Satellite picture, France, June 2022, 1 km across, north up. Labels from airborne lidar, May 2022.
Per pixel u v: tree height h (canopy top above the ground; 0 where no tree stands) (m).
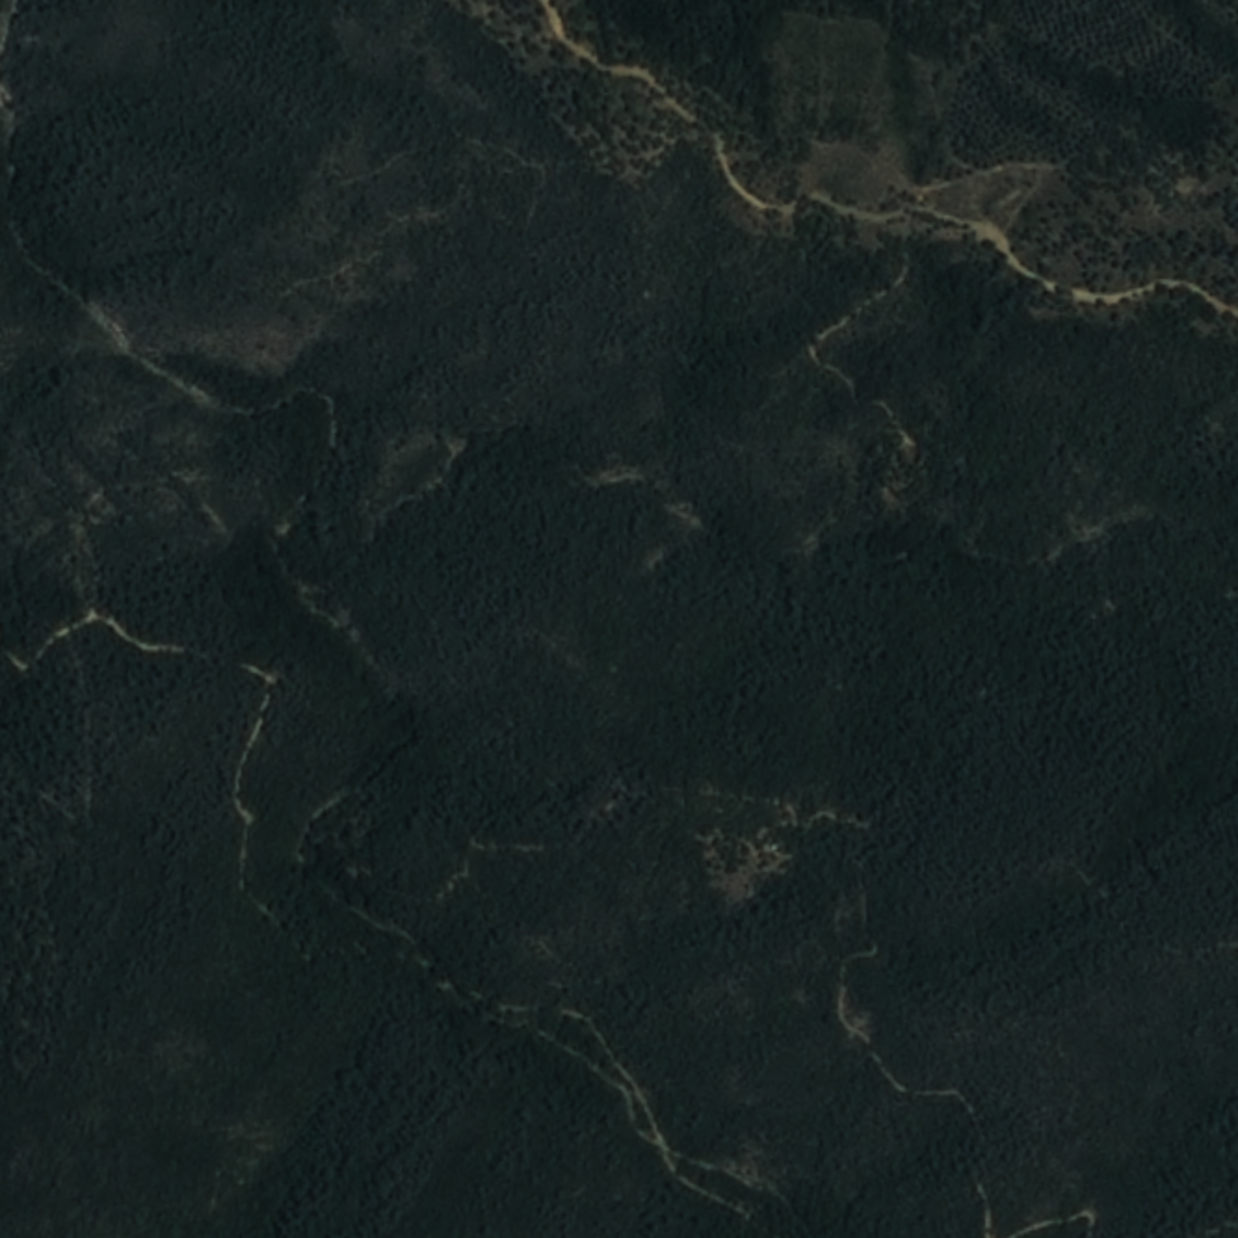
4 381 8
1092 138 9
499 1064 9
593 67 9
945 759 12
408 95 7
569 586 13
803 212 8
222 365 6
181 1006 6
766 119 7
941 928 6
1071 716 7
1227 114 6
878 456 11
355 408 6
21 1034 9
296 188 7
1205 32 7
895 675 13
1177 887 18
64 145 8
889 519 6
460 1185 6
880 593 10
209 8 7
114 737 13
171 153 13
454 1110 12
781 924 8
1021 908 9
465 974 11
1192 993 8
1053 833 16
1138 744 14
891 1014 6
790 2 6
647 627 6
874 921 7
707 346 15
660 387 6
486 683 10
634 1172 8
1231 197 12
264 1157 7
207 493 6
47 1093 6
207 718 9
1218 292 7
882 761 9
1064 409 12
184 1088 8
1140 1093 9
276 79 13
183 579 15
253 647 11
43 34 8
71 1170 14
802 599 17
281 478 14
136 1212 7
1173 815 16
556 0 12
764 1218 7
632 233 6
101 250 12
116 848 6
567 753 9
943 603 11
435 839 7
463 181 8
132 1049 9
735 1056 9
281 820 7
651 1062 6
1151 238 13
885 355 9
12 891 10
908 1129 7
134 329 5
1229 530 6
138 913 7
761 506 9
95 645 14
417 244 5
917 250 6
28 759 15
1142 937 14
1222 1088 6
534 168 7
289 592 9
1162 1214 12
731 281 6
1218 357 7
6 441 8
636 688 6
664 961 8
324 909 9
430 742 14
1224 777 13
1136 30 9
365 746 6
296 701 7
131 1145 8
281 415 9
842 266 8
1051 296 12
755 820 8
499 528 13
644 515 13
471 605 14
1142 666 16
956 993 6
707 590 17
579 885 10
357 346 6
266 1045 9
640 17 9
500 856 9
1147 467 8
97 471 9
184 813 14
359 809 6
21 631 11
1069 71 7
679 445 9
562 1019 8
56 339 7
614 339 11
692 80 9
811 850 8
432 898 7
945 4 10
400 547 11
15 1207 9
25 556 9
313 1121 11
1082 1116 11
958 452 12
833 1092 6
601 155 7
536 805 10
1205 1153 7
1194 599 10
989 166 8
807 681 7
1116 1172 6
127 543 11
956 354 11
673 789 6
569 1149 12
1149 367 9
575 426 7
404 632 7
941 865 19
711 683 13
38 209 9
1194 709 18
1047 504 7
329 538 17
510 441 11
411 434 14
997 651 8
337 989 7
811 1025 7
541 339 11
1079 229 9
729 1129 9
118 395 6
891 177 0
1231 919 14
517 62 11
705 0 11
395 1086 17
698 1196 8
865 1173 11
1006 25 9
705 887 6
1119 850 17
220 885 10
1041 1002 11
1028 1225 6
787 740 8
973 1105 6
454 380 14
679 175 7
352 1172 13
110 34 6
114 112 18
